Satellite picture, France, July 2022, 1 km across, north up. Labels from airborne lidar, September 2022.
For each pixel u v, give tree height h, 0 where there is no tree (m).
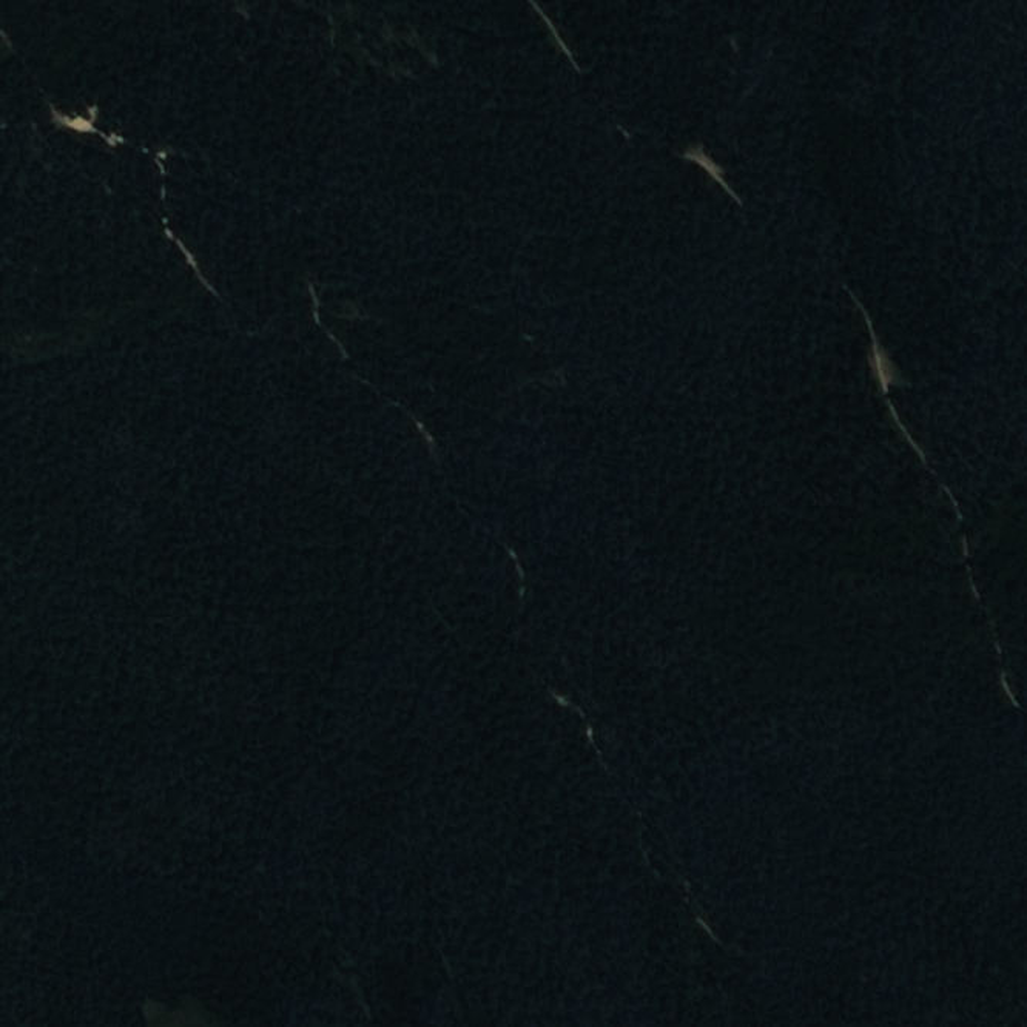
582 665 12
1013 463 26
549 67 24
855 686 18
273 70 12
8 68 15
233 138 16
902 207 9
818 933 23
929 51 28
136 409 15
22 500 13
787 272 23
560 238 15
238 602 13
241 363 13
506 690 23
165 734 20
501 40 23
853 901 19
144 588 16
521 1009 26
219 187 25
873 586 10
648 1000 21
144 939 24
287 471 15
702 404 16
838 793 18
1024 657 15
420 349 11
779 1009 13
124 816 17
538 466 27
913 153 7
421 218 18
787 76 28
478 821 22
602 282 16
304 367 17
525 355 10
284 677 21
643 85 19
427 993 10
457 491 22
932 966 20
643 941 14
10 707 20
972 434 30
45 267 16
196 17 9
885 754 17
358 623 21
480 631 24
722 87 23
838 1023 18
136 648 16
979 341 27
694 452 11
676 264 21
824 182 8
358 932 20
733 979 13
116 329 23
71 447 14
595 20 10
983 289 29
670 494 15
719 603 17
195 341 19
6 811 24
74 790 21
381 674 18
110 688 19
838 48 14
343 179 23
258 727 23
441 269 22
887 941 24
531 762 18
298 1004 30
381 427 22
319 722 20
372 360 20
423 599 23
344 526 18
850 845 13
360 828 24
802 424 25
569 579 16
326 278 14
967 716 19
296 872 31
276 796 11
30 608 16
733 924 25
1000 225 13
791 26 24
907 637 14
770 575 7
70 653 17
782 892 24
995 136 24
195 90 19
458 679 18
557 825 24
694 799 12
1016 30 26
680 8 32
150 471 15
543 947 28
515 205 14
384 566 14
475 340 10
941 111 29
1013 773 28
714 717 8
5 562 16
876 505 29
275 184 16
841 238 30
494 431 26
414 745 22
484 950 19
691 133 20
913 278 14
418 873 16
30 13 15
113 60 16
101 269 11
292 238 16
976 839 23
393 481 22
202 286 12
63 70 15
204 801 20
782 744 22
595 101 18
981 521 23
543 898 23
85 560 14
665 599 21
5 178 7
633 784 30
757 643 12
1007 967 20
